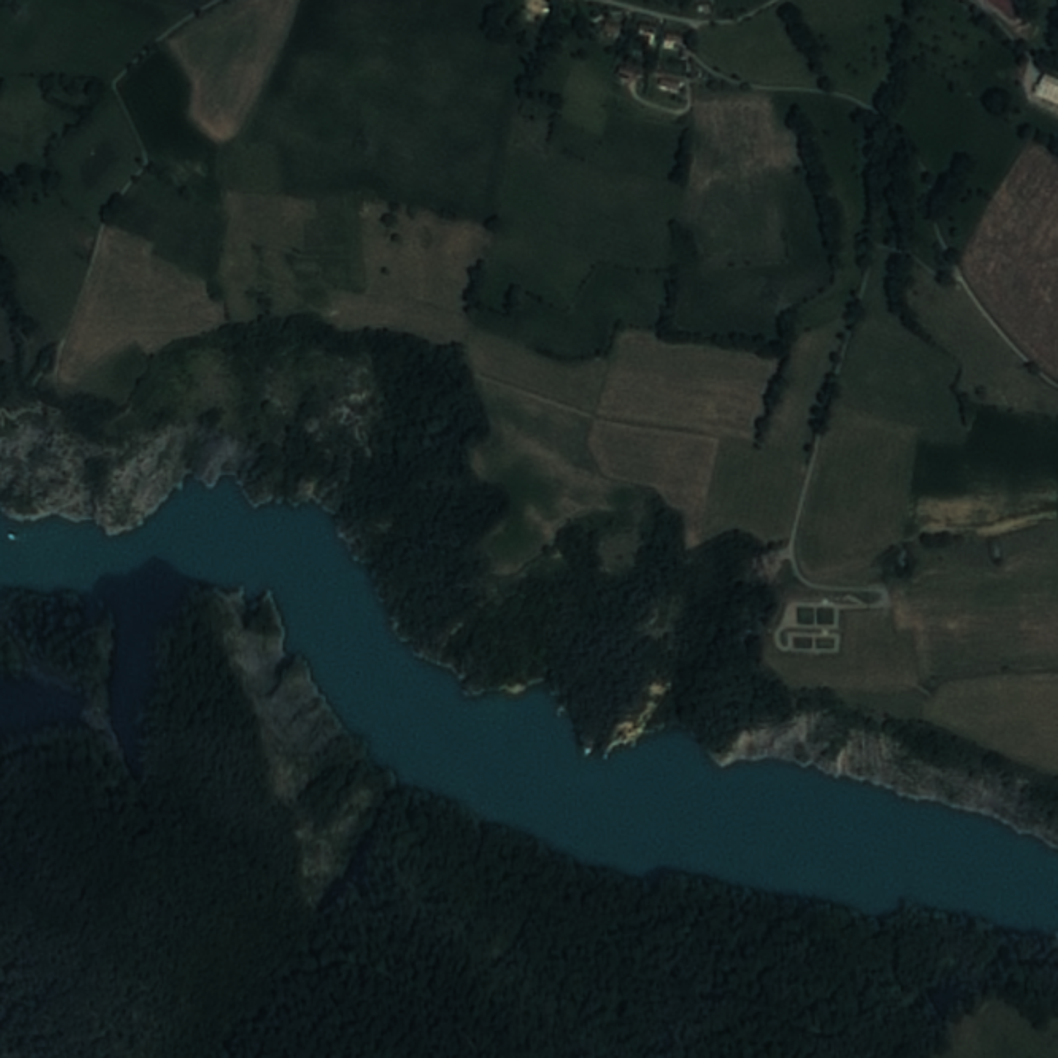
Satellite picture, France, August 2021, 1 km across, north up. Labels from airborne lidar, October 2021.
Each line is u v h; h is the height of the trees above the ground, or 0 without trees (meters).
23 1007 13
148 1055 10
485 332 0
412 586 9
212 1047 15
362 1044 21
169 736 16
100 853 23
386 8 0
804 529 0
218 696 25
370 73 0
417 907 12
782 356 20
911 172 25
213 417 9
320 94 0
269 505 0
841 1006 26
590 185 0
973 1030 0
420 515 11
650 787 0
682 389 0
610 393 0
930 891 0
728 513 0
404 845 20
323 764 6
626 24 10
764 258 0
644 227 0
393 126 0
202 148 0
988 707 0
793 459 0
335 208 0
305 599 0
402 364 10
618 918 15
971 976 9
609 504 0
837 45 0
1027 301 0
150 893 15
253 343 12
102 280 0
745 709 10
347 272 0
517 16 6
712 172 0
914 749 10
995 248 0
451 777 0
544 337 0
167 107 0
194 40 0
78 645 14
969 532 0
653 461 0
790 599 0
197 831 17
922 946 18
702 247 0
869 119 21
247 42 0
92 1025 12
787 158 0
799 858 0
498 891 19
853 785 0
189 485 0
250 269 0
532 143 0
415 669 0
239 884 15
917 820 0
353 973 12
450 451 7
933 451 0
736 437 0
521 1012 14
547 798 0
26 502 7
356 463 11
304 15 0
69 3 0
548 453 0
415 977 17
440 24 0
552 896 22
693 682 21
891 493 0
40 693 0
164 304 0
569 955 24
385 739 0
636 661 9
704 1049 18
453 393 13
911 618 0
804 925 26
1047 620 0
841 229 23
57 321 0
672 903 21
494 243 0
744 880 0
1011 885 0
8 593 9
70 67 0
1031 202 0
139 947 17
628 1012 23
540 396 0
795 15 22
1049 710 0
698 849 0
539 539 0
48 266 0
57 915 19
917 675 0
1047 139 14
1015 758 0
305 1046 26
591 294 0
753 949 24
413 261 0
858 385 0
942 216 20
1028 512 0
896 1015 14
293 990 36
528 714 0
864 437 0
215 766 18
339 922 20
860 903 0
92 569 0
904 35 18
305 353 8
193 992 9
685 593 6
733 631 7
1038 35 0
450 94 0
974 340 0
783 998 21
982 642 0
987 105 17
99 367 0
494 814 0
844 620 0
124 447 7
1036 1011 20
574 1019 15
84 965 12
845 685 0
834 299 0
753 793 0
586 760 0
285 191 0
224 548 0
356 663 0
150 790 20
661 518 13
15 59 0
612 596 10
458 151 0
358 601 0
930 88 0
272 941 13
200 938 11
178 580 16
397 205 8
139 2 0
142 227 0
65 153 0
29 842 17
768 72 0
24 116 0
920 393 0
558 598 13
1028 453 0
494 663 10
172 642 12
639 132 0
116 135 0
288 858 13
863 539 0
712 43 0
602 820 0
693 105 0
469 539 11
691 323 0
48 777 19
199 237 0
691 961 21
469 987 20
